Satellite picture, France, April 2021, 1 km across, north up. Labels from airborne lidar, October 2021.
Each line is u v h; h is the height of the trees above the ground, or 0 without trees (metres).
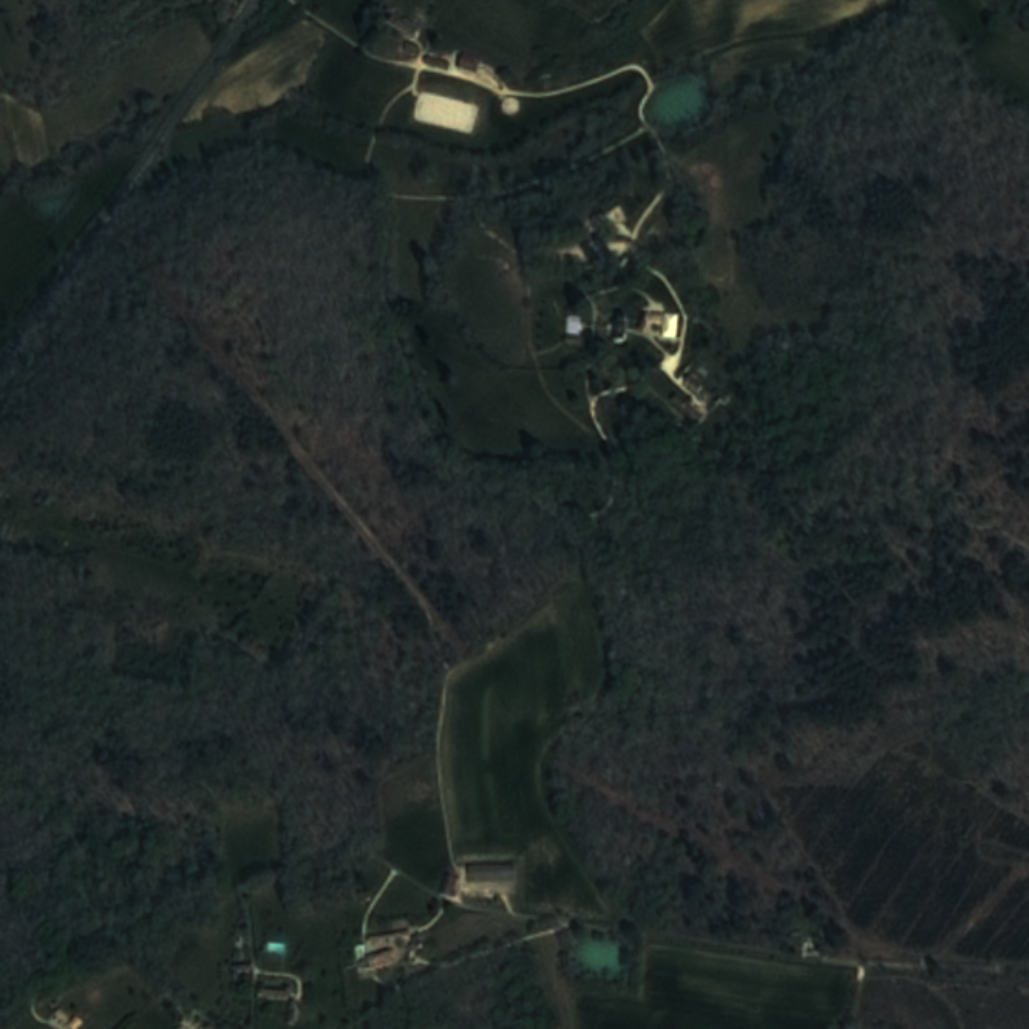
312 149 0
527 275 17
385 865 0
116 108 0
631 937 18
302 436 15
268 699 18
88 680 20
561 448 0
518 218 15
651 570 19
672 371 0
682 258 26
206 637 14
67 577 18
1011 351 25
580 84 0
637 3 13
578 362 13
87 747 15
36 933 22
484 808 0
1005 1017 0
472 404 0
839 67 17
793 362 16
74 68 17
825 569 14
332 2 0
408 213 0
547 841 0
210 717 22
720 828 12
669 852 12
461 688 0
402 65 0
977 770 18
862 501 14
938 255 16
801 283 19
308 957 0
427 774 0
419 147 19
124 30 13
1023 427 9
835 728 24
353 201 18
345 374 17
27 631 20
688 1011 0
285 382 16
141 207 19
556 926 15
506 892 0
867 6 0
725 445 12
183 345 17
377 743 27
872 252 20
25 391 14
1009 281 9
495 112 0
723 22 0
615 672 20
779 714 16
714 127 6
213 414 21
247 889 18
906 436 10
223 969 8
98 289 15
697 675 18
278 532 17
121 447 20
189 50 0
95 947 25
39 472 11
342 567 15
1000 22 16
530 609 15
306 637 14
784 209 14
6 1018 17
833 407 20
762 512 16
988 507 14
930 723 13
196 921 22
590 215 12
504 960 22
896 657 27
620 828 21
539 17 0
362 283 18
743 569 18
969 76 18
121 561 0
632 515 23
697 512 22
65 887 22
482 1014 17
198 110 0
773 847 10
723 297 0
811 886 15
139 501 16
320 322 14
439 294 22
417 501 9
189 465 21
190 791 23
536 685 0
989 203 10
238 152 18
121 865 9
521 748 0
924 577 25
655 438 22
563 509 22
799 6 0
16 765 16
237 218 13
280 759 15
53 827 21
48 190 23
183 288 18
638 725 18
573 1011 0
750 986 0
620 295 14
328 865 19
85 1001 0
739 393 14
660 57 0
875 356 18
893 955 0
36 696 18
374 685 10
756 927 17
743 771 10
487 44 0
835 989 0
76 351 16
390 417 14
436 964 9
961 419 20
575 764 17
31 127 0
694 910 16
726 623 16
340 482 14
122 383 20
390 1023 19
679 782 17
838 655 17
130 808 19
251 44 6
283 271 15
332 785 21
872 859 6
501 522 22
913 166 7
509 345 0
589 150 15
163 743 17
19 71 0
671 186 22
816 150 17
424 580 18
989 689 16
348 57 0
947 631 28
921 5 20
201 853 20
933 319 22
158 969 21
